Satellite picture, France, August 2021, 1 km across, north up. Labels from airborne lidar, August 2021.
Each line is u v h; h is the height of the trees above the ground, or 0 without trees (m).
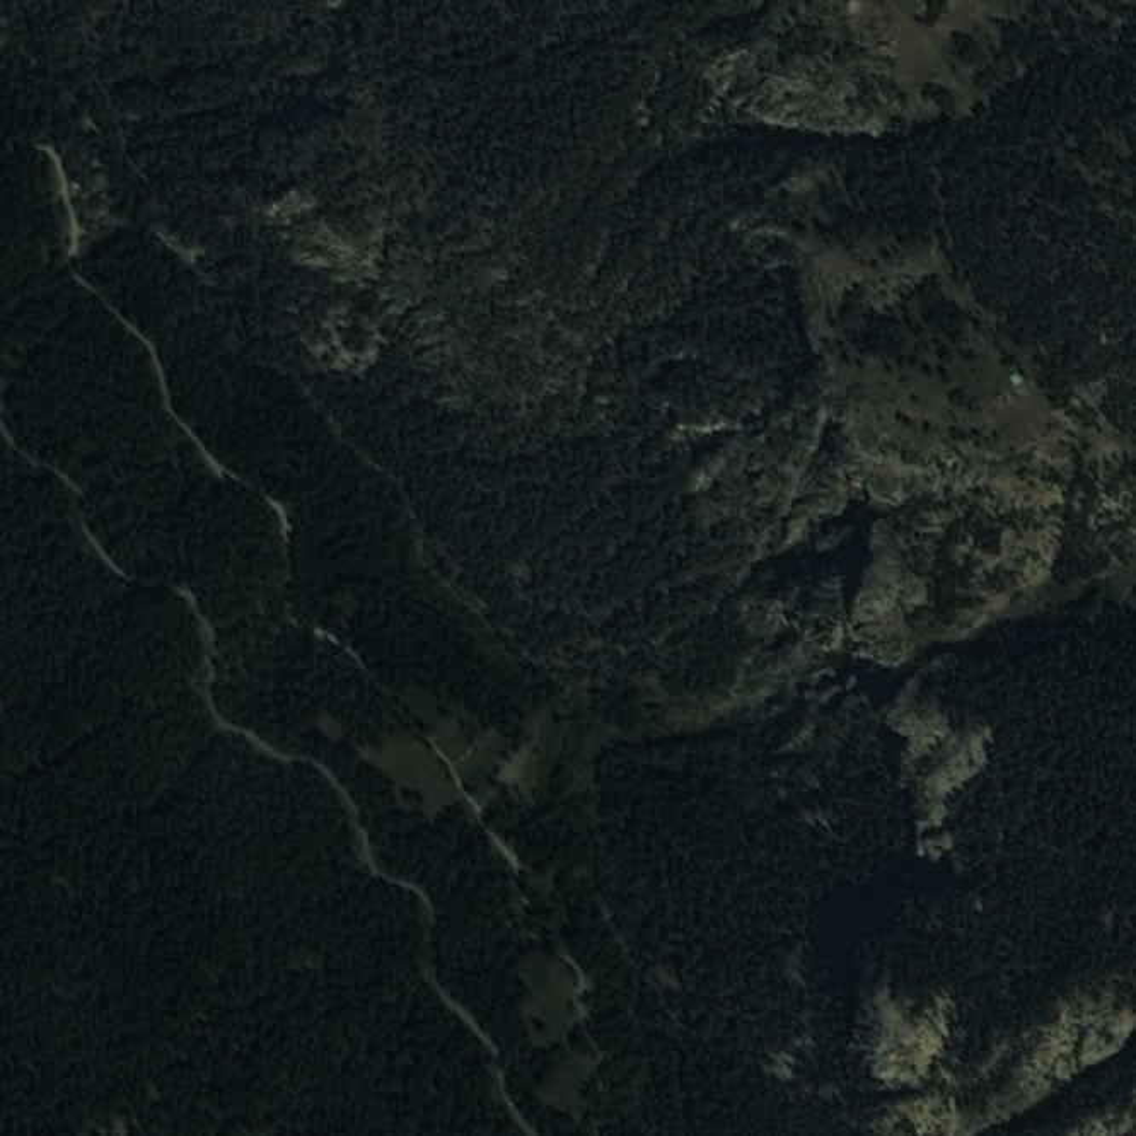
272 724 14
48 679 23
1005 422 0
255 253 18
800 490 0
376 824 16
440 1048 25
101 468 19
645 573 16
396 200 9
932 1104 0
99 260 20
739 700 0
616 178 14
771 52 0
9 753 28
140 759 22
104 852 24
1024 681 15
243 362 12
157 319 17
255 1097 27
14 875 25
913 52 0
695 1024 6
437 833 14
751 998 13
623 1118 10
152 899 21
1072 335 10
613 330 8
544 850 23
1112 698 15
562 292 7
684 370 9
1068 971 9
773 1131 13
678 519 17
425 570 6
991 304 15
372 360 0
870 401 0
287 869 16
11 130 18
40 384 22
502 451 14
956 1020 10
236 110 14
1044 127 11
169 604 26
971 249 13
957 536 7
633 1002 6
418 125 9
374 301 15
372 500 14
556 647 13
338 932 21
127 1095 19
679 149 16
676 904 9
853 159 12
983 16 0
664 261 8
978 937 15
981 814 10
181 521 19
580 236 11
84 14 17
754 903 17
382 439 18
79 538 20
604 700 9
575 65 14
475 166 15
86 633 23
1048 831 11
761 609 8
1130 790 12
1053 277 11
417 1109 19
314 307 12
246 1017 26
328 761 15
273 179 7
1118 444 0
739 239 12
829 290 0
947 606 8
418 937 20
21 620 18
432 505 12
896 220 14
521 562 15
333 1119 26
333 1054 26
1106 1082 9
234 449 20
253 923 20
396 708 26
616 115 11
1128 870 8
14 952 24
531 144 17
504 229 7
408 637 13
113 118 6
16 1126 23
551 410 15
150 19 19
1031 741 15
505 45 12
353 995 25
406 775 0
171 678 26
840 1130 11
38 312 22
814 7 6
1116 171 14
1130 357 7
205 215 17
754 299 12
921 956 8
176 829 22
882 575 0
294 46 11
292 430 17
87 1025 24
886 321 15
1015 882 11
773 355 13
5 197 22
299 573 18
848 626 0
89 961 26
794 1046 10
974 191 12
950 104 8
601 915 20
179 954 19
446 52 15
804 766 6
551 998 0
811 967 0
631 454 15
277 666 6
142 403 16
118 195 15
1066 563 10
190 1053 27
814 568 7
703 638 11
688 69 10
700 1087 10
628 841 13
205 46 10
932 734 0
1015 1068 7
